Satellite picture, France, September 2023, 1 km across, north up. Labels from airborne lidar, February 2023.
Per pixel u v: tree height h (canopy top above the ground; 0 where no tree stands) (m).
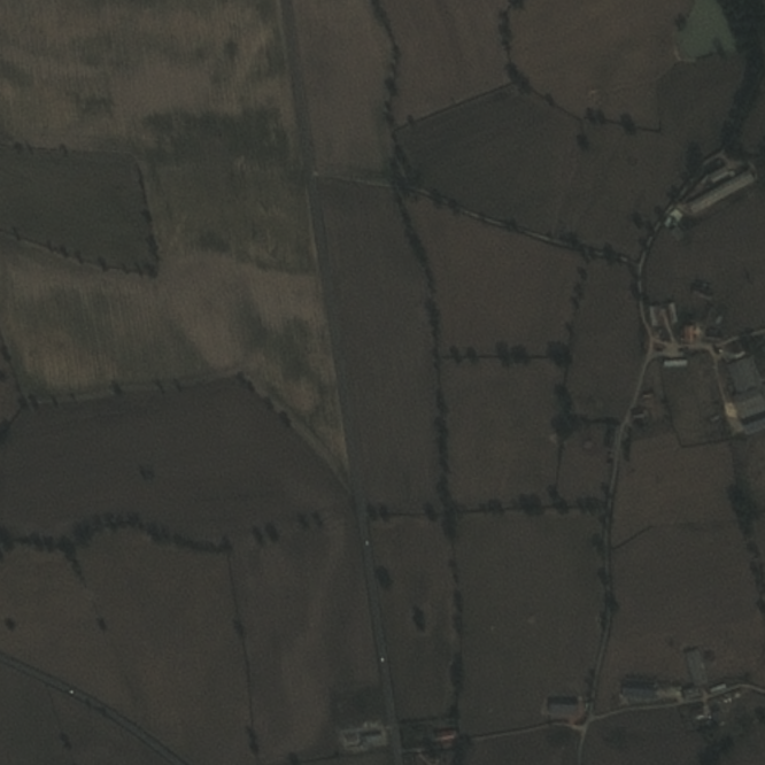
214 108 0
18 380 0
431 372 0
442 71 0
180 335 0
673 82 0
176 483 0
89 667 0
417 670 0
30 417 0
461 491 0
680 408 0
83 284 0
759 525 0
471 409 0
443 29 0
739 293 0
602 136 0
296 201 0
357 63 0
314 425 0
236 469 0
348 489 0
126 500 0
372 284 0
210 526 0
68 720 0
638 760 0
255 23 0
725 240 0
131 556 0
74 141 0
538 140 0
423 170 0
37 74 0
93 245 0
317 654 0
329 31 0
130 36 0
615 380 0
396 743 0
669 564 0
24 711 0
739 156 16
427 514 13
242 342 0
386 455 0
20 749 0
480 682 0
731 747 12
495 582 0
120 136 0
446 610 0
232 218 0
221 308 0
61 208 0
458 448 0
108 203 0
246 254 0
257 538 15
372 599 0
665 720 0
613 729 0
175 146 0
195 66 0
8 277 0
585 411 0
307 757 0
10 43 0
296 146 0
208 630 0
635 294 13
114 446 0
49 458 0
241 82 0
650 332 0
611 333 0
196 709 0
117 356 0
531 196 0
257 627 0
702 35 0
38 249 0
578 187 0
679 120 0
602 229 0
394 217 0
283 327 0
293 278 0
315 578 0
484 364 0
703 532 0
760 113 0
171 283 0
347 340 0
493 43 0
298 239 0
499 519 0
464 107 0
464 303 0
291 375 0
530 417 0
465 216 0
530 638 0
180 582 0
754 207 0
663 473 0
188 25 0
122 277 0
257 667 0
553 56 0
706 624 0
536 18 0
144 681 0
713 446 0
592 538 0
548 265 0
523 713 0
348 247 0
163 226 0
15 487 0
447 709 0
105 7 0
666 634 0
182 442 0
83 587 0
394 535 0
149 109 0
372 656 0
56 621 0
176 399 0
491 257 0
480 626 0
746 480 0
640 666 0
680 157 0
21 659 0
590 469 0
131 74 0
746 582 0
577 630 0
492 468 0
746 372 0
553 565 0
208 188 0
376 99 0
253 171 0
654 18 0
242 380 12
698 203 0
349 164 0
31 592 0
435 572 0
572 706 0
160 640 0
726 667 0
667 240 0
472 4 0
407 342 0
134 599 0
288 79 0
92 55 0
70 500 0
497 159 0
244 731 0
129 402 0
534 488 0
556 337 0
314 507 0
